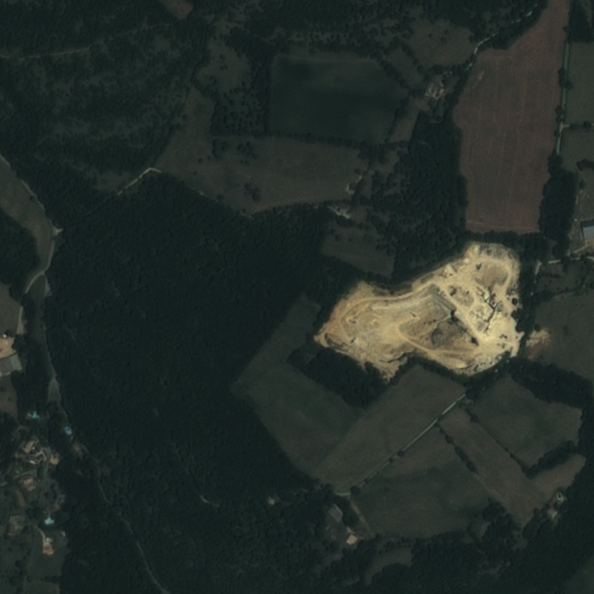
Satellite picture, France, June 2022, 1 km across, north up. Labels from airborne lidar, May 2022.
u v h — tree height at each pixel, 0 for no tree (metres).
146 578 12
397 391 0
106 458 12
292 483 14
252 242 7
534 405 0
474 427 0
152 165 7
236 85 0
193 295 14
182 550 9
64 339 12
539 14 10
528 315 9
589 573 0
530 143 0
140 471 11
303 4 9
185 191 15
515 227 0
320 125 0
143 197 10
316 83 0
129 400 19
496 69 0
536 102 0
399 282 12
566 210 15
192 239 14
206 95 9
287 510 13
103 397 13
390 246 8
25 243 8
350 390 16
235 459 13
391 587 9
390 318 0
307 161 0
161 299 17
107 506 12
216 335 17
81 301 17
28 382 15
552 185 18
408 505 0
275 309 14
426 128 15
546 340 0
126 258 10
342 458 0
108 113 5
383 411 0
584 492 13
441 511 0
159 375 13
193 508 11
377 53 9
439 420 7
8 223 9
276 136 11
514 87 0
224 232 13
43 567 0
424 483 0
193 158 0
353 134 0
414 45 0
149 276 15
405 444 0
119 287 12
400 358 8
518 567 12
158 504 10
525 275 10
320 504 13
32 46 6
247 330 18
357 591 10
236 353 17
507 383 0
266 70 8
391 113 0
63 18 7
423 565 9
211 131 8
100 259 13
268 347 0
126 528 18
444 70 6
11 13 7
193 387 12
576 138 0
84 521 9
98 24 8
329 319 11
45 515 7
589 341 0
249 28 10
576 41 8
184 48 6
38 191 15
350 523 18
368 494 0
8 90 7
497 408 0
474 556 9
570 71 0
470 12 9
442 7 12
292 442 0
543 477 0
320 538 10
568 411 0
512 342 0
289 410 0
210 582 10
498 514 13
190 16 7
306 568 9
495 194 0
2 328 0
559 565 11
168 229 14
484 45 6
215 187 0
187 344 16
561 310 0
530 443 0
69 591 14
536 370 15
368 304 0
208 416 16
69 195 9
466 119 0
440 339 0
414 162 14
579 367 0
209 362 16
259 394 0
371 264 0
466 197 8
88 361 8
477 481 0
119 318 13
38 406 13
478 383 13
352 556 13
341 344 0
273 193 0
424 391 0
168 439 16
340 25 6
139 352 17
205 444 13
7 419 14
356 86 0
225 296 15
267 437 13
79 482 9
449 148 16
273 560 6
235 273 11
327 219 10
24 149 7
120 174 6
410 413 0
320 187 0
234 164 0
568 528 17
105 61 6
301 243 11
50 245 0
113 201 13
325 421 0
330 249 0
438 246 14
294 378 0
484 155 0
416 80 0
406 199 10
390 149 7
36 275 0
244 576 9
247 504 10
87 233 15
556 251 11
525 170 0
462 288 0
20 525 0
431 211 12
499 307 0
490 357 0
